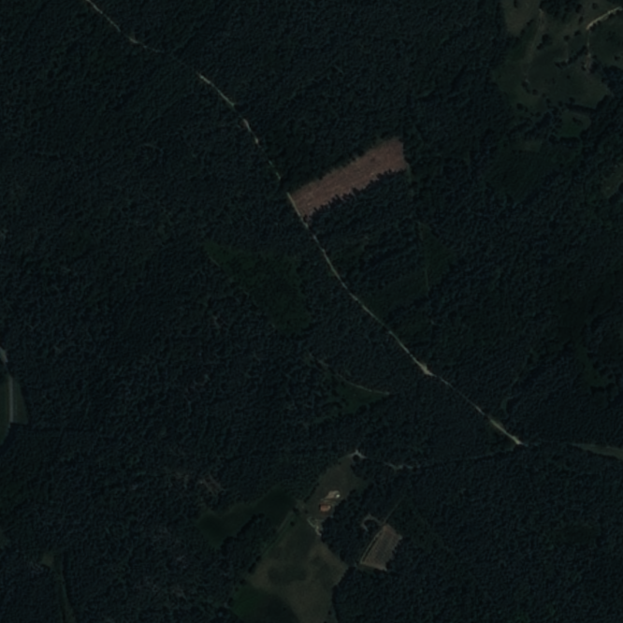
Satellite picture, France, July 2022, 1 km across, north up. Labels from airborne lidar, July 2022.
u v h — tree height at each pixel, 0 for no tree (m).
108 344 20
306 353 25
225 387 23
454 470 22
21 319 21
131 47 17
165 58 25
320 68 26
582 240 17
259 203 24
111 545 18
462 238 30
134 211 12
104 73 6
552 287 15
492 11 16
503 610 13
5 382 14
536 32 0
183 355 19
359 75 25
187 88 22
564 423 24
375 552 0
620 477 19
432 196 15
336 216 21
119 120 13
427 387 20
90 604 29
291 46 14
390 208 24
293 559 0
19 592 28
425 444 19
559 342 14
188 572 29
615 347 17
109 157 15
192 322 17
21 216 16
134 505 19
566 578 18
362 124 24
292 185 18
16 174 16
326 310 18
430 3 18
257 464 23
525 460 18
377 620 13
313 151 22
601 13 0
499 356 20
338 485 0
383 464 18
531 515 22
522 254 27
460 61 21
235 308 21
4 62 17
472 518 17
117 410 27
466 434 23
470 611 10
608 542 21
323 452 28
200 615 28
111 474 21
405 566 20
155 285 16
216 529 0
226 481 24
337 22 21
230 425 20
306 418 25
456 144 21
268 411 23
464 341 17
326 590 0
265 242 23
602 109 16
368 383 18
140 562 19
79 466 20
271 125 25
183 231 15
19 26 17
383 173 0
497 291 22
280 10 22
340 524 19
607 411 29
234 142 15
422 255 28
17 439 24
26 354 19
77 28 9
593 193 17
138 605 20
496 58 22
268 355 23
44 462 16
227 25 23
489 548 17
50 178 18
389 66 24
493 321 24
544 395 24
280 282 6
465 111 25
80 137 21
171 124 20
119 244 15
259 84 20
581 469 19
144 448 21
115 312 28
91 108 19
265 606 0
